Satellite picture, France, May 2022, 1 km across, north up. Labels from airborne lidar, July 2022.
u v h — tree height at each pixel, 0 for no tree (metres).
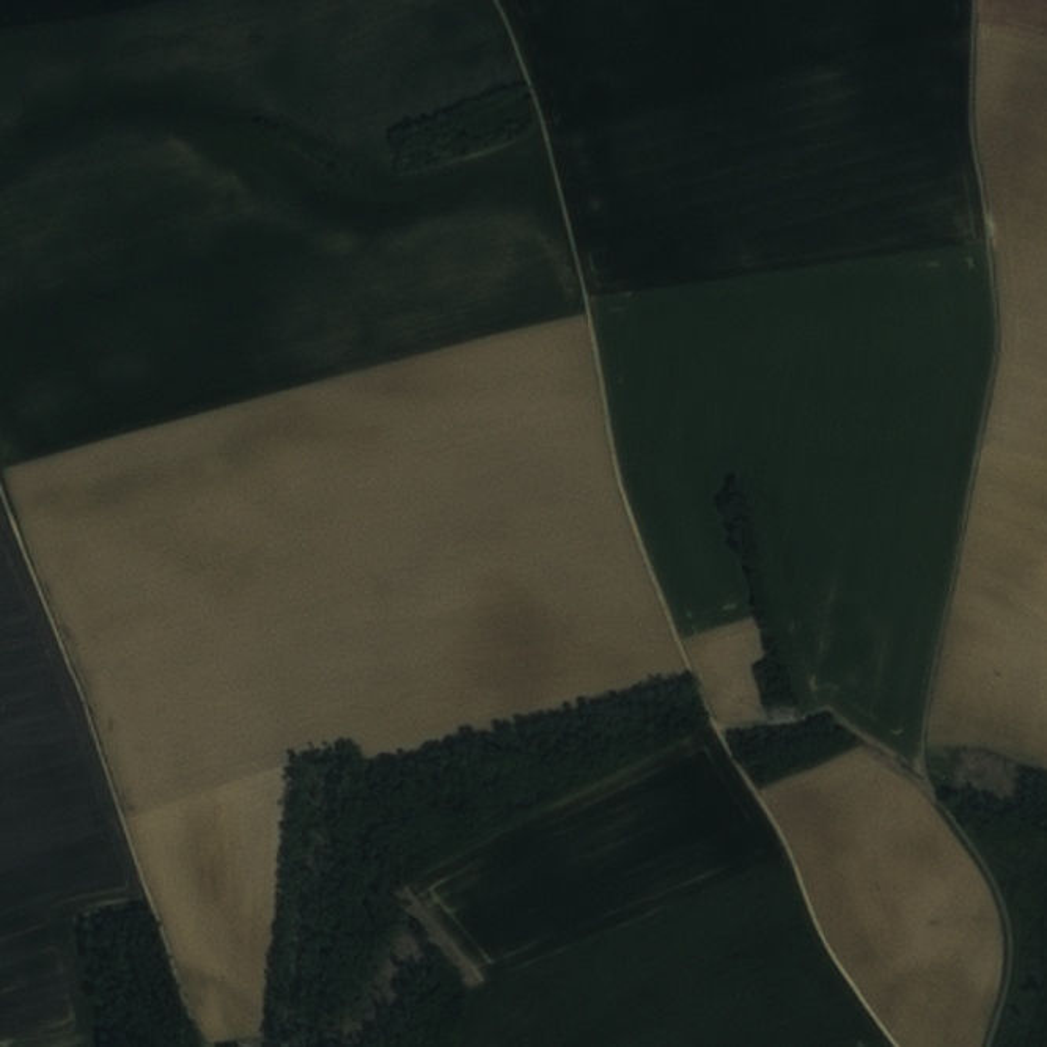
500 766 23
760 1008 0
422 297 0
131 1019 31
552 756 20
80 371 0
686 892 0
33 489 0
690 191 0
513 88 13
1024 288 0
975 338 0
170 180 0
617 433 0
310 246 0
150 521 0
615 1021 0
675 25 0
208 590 0
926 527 0
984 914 0
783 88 0
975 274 0
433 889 0
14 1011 0
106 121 0
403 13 0
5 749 0
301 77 0
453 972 17
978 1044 0
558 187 0
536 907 0
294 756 13
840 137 0
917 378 0
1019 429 0
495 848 0
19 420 0
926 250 0
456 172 0
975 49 0
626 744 21
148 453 0
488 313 0
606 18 0
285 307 0
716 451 0
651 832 0
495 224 0
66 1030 0
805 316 0
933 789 0
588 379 0
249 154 0
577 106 0
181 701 0
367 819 21
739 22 0
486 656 0
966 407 0
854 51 0
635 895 0
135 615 0
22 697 0
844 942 0
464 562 0
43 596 0
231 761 0
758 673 10
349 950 28
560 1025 0
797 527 0
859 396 0
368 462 0
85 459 0
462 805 22
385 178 0
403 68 0
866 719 0
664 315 0
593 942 0
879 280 0
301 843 15
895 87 0
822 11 0
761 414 0
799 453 0
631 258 0
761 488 0
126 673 0
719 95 0
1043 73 0
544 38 0
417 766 25
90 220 0
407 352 0
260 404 0
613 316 0
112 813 0
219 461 0
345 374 0
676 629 0
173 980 15
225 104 0
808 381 0
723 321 0
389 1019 27
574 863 0
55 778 0
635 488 0
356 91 0
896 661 0
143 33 0
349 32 0
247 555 0
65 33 0
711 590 0
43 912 0
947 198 0
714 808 0
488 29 0
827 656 0
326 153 0
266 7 0
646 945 0
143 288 0
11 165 0
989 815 24
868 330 0
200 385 0
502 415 0
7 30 0
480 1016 0
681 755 0
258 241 0
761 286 0
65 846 0
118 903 0
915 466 0
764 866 0
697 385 0
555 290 0
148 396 0
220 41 0
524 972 0
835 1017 0
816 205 0
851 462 0
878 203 0
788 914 0
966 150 0
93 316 0
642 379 0
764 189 0
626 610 0
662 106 0
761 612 12
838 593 0
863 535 0
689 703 14
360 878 25
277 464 0
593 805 0
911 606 0
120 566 0
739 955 0
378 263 0
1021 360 0
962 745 0
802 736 13
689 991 0
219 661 0
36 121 0
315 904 24
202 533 0
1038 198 0
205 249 0
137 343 0
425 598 0
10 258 0
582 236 0
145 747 0
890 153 0
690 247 0
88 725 0
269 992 13
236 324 0
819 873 0
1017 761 0
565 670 0
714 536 0
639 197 0
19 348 0
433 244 0
